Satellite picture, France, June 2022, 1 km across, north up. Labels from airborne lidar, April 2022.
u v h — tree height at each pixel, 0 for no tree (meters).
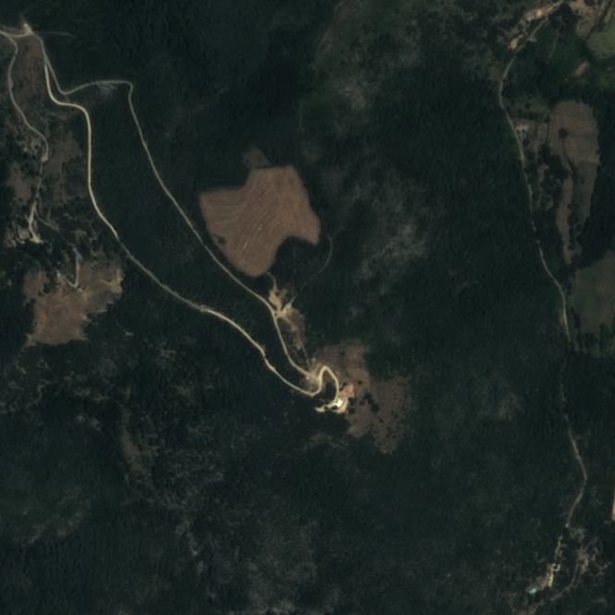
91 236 8
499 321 10
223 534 7
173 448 7
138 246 7
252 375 8
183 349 10
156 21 19
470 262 16
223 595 12
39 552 15
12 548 8
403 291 7
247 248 0
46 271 7
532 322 8
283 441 6
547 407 15
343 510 9
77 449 10
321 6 7
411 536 8
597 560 6
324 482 13
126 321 11
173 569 8
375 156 10
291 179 0
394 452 8
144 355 12
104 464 11
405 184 6
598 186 13
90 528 10
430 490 6
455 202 10
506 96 11
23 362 6
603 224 25
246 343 8
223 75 6
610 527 15
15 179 0
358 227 9
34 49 0
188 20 8
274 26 0
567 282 8
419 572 6
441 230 8
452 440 7
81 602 12
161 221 9
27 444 9
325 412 7
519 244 14
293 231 0
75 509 8
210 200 0
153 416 8
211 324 8
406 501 8
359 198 6
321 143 6
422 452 9
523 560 9
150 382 11
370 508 8
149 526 8
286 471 9
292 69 11
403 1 0
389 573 6
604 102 18
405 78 7
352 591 6
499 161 12
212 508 7
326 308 10
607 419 6
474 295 14
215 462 7
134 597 7
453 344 11
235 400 9
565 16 9
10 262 10
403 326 6
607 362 10
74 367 11
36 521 6
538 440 12
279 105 12
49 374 10
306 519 11
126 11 13
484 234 11
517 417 7
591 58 9
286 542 6
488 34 9
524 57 6
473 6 11
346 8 0
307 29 8
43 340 0
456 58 7
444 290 14
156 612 9
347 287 6
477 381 6
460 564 6
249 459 9
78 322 0
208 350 11
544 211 8
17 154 9
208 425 7
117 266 0
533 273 11
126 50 13
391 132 13
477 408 7
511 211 12
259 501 7
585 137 0
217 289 9
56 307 0
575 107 0
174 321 6
